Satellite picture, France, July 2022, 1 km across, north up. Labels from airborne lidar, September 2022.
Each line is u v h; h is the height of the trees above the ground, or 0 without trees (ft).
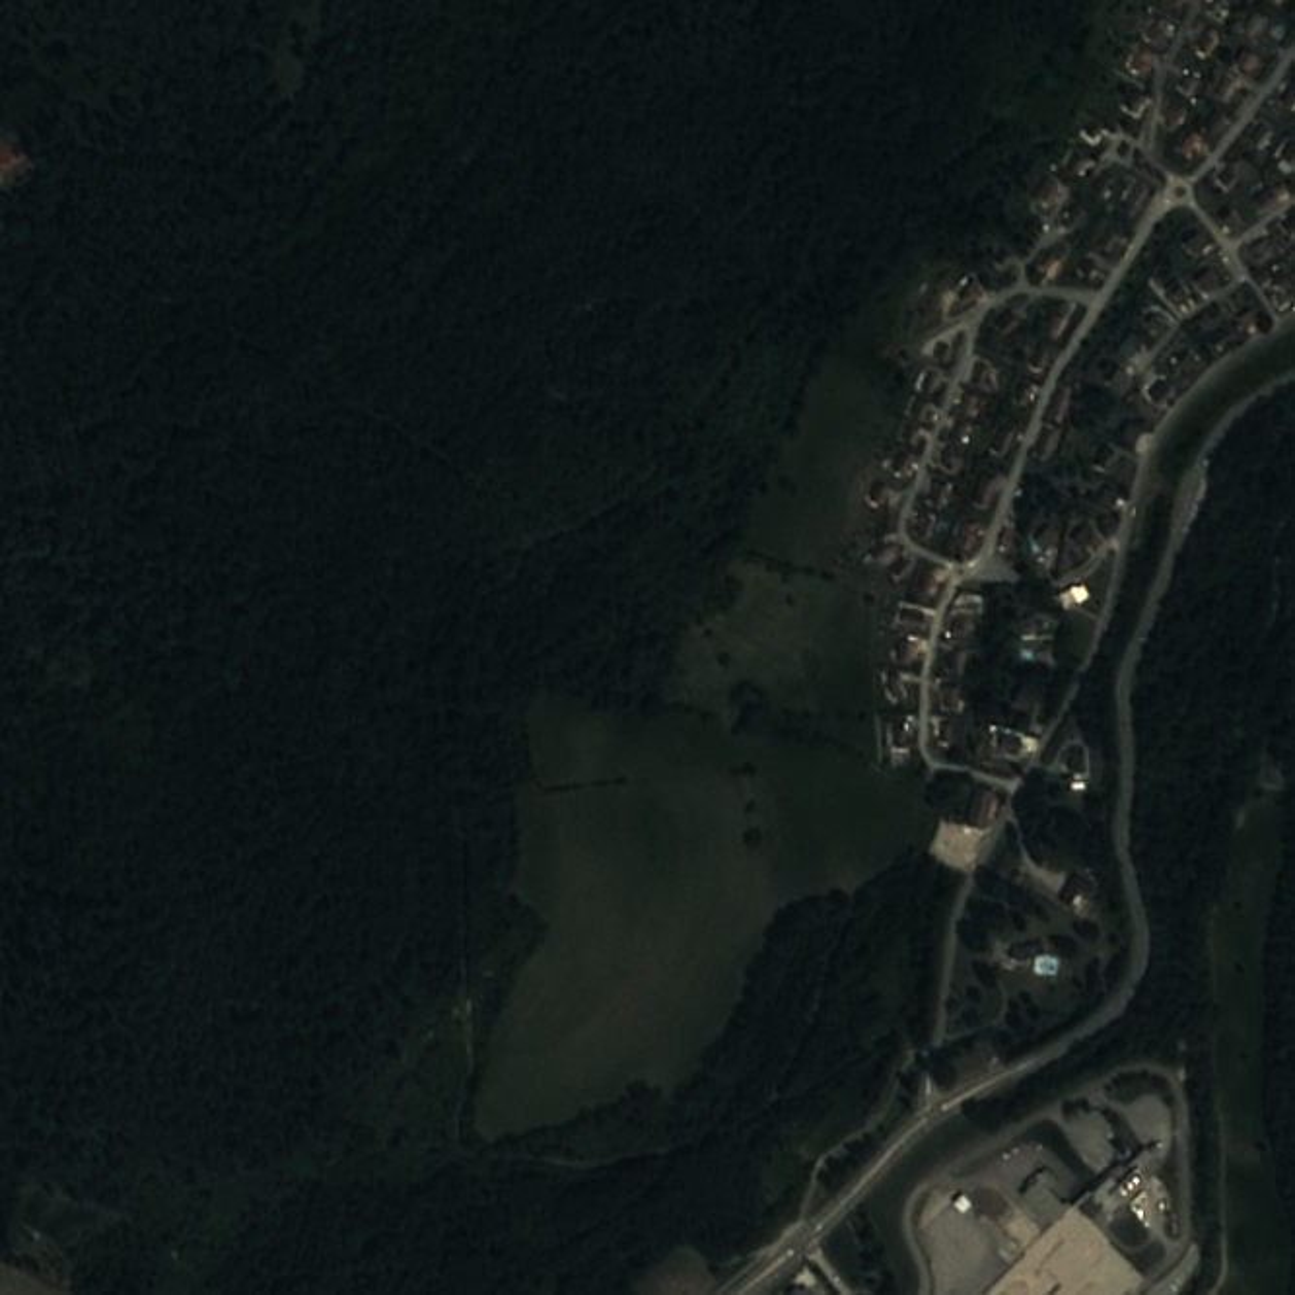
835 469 0
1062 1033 28
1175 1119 0
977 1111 54
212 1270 19
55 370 23
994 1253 0
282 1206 35
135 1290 62
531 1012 0
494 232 53
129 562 87
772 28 60
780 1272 0
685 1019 0
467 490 61
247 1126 74
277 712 56
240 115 51
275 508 68
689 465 48
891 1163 0
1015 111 0
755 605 0
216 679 65
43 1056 73
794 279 62
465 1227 43
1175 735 43
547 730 0
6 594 42
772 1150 22
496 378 58
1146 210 0
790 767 0
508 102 49
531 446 68
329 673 79
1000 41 21
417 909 20
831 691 0
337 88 54
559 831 0
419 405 62
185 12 41
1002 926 36
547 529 19
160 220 61
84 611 76
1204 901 81
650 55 42
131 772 55
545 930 29
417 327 53
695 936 0
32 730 44
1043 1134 0
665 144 63
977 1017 41
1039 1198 0
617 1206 36
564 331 51
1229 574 38
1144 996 51
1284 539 55
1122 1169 0
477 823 39
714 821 0
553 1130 25
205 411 51
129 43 43
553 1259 37
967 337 0
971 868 0
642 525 45
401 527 55
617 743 0
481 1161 19
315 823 52
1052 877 0
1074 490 27
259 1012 72
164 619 96
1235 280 0
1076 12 31
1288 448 86
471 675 68
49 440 63
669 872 0
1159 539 26
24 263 43
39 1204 0
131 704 34
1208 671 38
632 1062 0
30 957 123
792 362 17
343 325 65
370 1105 20
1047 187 0
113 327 65
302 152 33
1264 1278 0
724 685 0
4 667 48
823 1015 31
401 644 75
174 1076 100
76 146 76
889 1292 43
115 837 72
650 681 20
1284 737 75
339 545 63
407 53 62
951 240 35
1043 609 26
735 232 59
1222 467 65
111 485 81
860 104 39
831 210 56
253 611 71
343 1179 19
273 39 65
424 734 27
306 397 66
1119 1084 26
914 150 74
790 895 0
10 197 43
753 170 27
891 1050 25
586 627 52
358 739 67
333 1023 54
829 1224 0
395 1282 36
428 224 69
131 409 80
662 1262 24
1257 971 0
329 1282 61
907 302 0
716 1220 36
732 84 57
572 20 55
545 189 60
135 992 72
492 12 80
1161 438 0
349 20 53
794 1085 45
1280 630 66
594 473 29
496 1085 0
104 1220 0
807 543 0
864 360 0
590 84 58
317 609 68
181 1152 72
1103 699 20
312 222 74
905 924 33
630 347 34
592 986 0
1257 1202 0
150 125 60
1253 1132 0
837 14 61
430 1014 18
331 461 60
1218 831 75
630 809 0
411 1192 42
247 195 59
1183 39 0
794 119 75
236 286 70
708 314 65
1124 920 31
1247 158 22
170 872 60
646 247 66
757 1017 46
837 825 0
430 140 63
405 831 33
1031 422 0
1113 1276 0
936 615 0
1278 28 0
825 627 0
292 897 27
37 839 65
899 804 0
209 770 49
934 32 76
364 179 48
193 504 55
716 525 21
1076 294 0
